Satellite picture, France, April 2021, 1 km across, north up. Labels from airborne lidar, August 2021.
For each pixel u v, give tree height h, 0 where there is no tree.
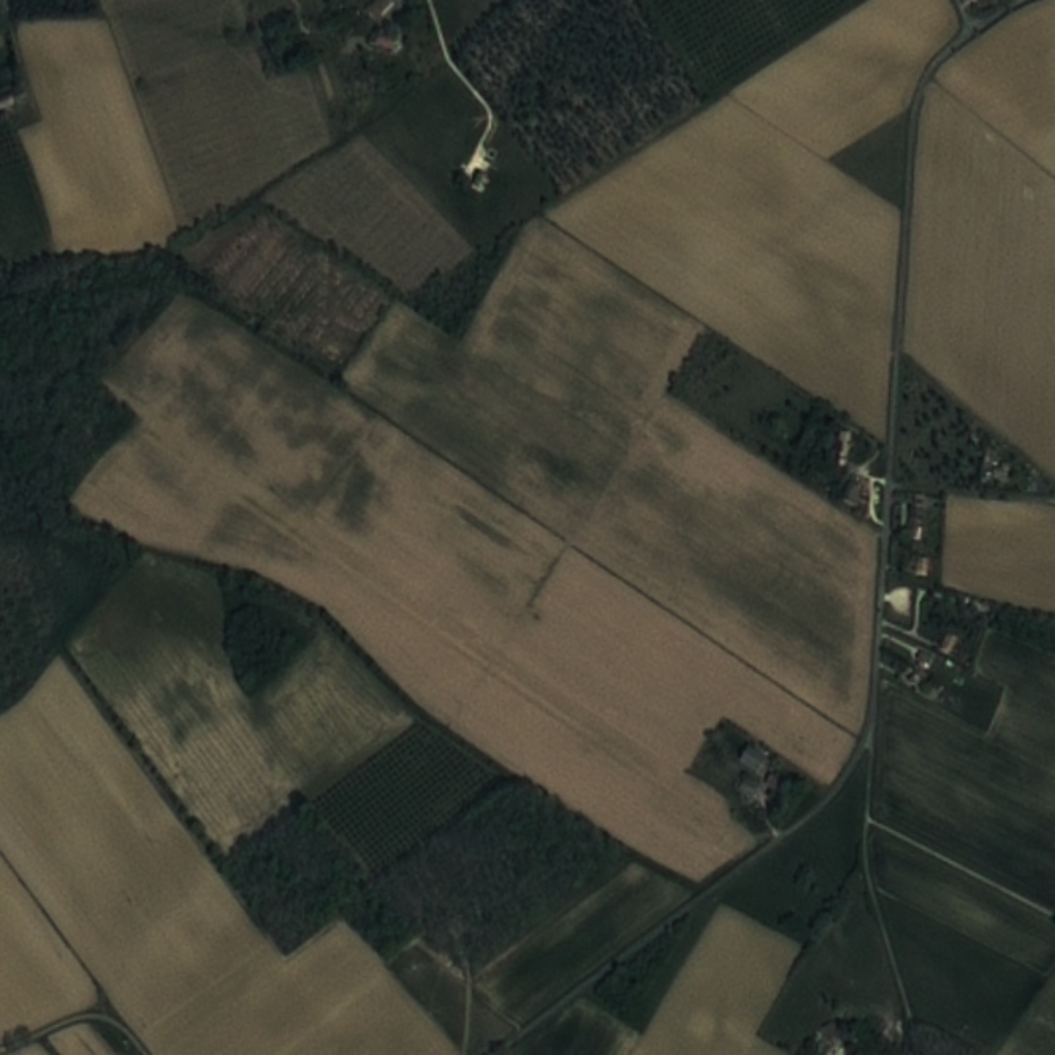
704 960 0
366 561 0
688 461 0
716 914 0
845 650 0
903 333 0
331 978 0
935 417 6
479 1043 0
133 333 15
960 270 0
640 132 16
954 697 0
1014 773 0
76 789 0
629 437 0
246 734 0
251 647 8
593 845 22
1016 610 10
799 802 16
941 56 0
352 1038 0
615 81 18
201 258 0
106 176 0
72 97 0
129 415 12
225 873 15
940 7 0
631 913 0
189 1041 0
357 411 0
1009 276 0
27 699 0
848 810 0
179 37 0
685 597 0
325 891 22
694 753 0
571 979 0
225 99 0
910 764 0
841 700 0
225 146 0
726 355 7
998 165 0
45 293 10
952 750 0
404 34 10
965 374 0
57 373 16
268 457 0
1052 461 0
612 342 0
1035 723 0
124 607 0
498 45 19
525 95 17
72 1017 0
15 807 0
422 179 0
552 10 20
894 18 0
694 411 0
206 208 0
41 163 0
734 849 0
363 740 0
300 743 0
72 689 0
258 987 0
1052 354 0
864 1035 7
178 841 0
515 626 0
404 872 17
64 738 0
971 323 0
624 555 0
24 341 14
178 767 0
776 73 0
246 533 0
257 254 14
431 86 0
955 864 0
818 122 0
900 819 0
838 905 9
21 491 21
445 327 9
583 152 17
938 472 8
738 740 0
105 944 0
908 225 0
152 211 0
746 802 0
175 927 0
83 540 12
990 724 0
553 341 0
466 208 0
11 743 0
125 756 0
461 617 0
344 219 0
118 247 0
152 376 0
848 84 0
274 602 13
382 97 6
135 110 0
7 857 0
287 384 0
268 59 7
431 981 0
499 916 18
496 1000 0
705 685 0
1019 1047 0
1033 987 0
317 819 21
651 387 0
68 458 14
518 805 23
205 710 0
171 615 0
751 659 0
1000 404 0
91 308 9
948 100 0
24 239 0
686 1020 0
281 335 7
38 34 0
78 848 0
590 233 0
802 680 0
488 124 0
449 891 19
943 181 0
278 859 19
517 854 18
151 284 12
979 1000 0
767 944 0
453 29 0
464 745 8
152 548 0
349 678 0
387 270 0
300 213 0
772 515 0
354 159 0
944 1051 18
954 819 0
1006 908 0
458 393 0
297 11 6
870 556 0
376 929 18
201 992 0
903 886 0
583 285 0
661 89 18
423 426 0
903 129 0
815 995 0
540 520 0
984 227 0
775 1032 0
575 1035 0
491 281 6
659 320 0
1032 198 0
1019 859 0
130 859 0
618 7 18
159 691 0
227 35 8
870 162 0
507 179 0
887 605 0
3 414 26
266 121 0
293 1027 0
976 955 0
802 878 9
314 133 0
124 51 0
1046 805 0
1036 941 0
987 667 0
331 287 0
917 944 0
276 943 14
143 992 0
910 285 0
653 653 0
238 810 0
